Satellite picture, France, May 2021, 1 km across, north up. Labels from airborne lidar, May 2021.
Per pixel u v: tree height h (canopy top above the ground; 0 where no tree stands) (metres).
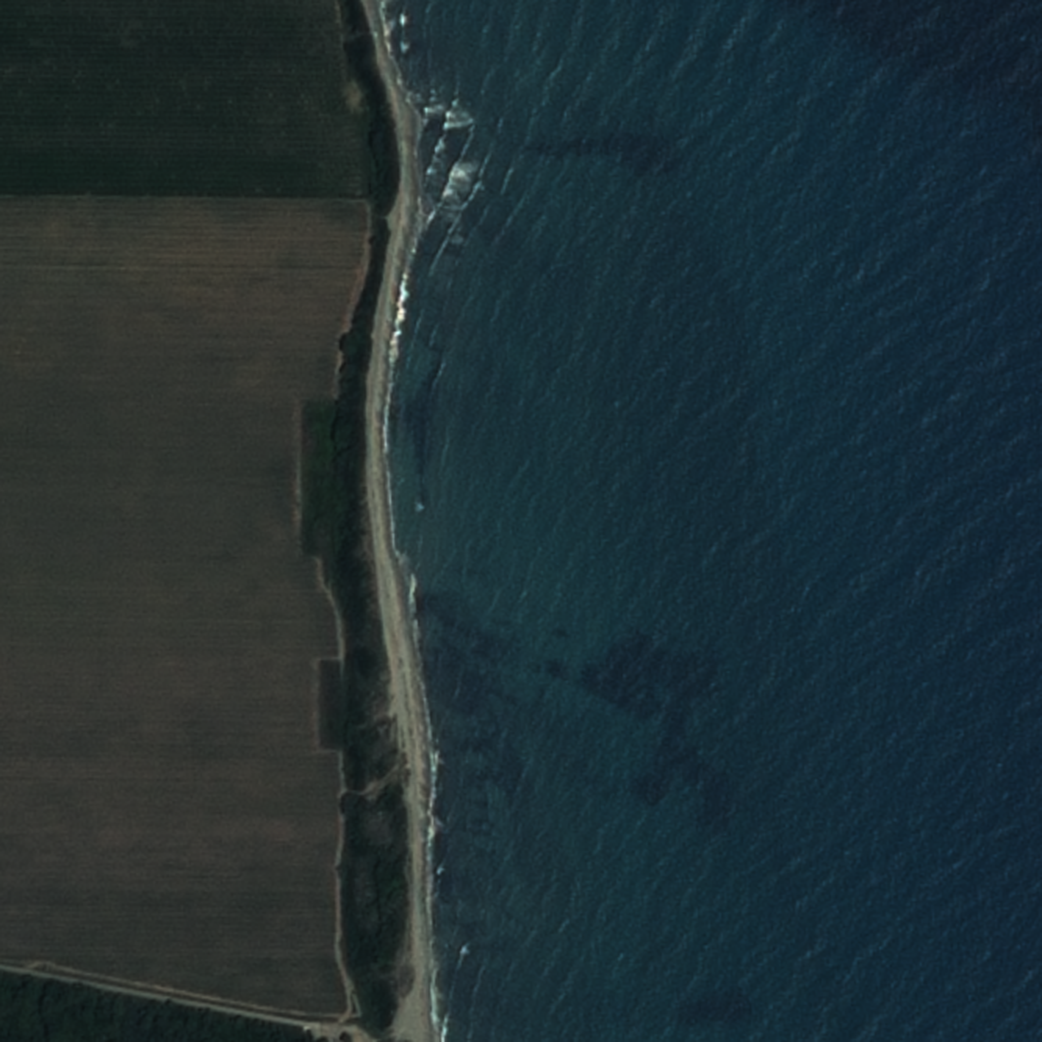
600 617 0
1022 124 0
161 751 0
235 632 0
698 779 0
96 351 0
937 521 0
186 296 0
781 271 0
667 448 0
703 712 0
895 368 0
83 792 0
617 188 0
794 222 0
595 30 0
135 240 0
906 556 0
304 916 0
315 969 0
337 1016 0
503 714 0
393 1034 0
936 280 0
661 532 0
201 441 0
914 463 0
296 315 0
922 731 0
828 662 0
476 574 0
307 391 0
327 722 0
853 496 0
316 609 0
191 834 0
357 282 0
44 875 0
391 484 0
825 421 0
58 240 0
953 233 0
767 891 0
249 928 0
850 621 0
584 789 0
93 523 0
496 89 0
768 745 0
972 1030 0
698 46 0
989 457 0
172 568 0
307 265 0
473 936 0
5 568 0
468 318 0
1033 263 0
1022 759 0
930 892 0
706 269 0
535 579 0
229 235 0
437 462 0
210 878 0
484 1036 0
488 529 0
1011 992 0
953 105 0
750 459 0
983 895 0
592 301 0
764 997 0
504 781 0
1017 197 0
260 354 0
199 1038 10
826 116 0
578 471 0
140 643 0
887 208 0
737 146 0
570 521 0
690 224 0
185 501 0
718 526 0
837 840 0
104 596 0
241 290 0
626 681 0
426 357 0
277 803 0
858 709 0
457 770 0
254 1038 9
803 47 0
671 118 0
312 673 0
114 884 0
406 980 0
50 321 0
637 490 0
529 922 0
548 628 0
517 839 0
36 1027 11
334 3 0
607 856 0
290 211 0
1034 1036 0
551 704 0
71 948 0
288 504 0
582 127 0
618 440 0
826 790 0
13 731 0
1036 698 0
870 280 0
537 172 0
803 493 0
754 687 0
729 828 0
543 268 0
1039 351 0
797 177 0
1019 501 0
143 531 0
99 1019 10
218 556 0
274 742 0
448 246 0
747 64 0
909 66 0
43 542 0
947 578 0
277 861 0
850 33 0
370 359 0
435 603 0
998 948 0
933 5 0
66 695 0
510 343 0
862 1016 0
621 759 0
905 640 0
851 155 0
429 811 0
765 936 0
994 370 0
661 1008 0
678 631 0
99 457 0
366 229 0
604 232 0
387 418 0
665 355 0
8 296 0
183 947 0
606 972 0
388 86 0
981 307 0
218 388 0
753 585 0
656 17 0
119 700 0
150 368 0
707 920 0
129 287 0
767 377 0
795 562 0
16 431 0
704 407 0
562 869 0
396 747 0
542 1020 0
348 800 11
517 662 0
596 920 0
